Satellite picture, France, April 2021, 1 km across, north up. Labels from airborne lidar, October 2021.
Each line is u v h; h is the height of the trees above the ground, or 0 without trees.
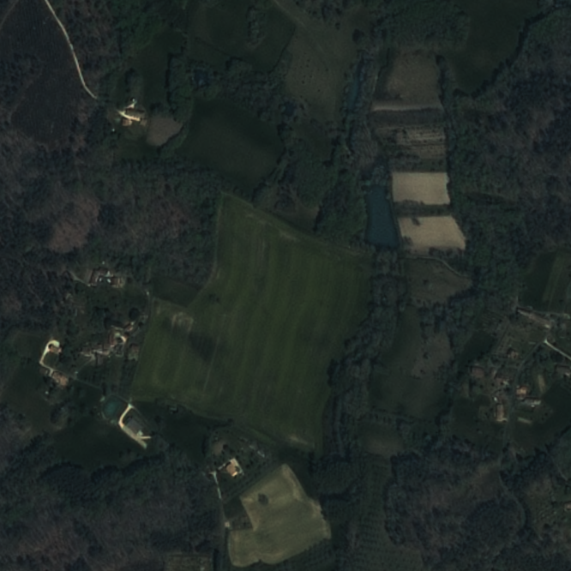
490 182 17
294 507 0
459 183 18
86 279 0
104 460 0
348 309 0
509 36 0
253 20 13
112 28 9
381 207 0
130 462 0
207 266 20
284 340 0
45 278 19
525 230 17
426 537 18
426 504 6
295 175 17
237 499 0
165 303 0
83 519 20
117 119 0
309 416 0
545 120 11
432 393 0
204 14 0
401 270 28
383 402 0
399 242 0
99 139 21
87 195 17
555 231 27
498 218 21
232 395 0
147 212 15
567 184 16
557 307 0
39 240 18
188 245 20
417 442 7
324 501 9
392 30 21
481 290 20
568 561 19
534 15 0
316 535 0
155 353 0
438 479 20
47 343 0
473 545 26
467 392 0
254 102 11
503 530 28
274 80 9
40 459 16
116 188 18
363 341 11
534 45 21
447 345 0
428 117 16
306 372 0
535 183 18
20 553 18
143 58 0
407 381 0
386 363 0
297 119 10
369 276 0
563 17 22
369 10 25
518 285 17
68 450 0
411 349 0
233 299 0
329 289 0
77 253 16
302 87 0
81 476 20
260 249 0
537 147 9
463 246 0
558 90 13
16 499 16
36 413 0
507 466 12
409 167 14
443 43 18
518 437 0
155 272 18
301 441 0
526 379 6
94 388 0
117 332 0
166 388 0
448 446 11
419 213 11
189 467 22
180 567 0
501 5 0
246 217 0
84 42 11
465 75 0
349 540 38
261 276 0
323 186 20
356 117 17
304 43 0
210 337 0
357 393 34
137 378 0
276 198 7
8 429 20
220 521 18
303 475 0
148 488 26
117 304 8
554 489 10
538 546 20
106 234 21
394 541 9
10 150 14
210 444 12
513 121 18
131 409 0
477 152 15
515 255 21
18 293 22
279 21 0
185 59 8
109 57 7
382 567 7
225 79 12
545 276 0
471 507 9
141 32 25
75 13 8
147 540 17
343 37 0
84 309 0
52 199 28
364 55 15
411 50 11
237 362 0
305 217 0
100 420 0
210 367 0
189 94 20
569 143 24
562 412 0
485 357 11
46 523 20
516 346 0
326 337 0
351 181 21
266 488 0
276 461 8
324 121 0
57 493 17
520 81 15
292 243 0
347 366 26
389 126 12
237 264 0
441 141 6
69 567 8
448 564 24
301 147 16
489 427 0
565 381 9
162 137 0
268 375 0
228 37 0
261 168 0
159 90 0
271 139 0
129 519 16
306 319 0
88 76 6
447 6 21
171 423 0
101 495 24
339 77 0
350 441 31
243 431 0
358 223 18
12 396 0
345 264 0
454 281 0
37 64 20
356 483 9
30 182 19
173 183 26
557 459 23
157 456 0
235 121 0
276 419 0
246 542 0
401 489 14
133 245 18
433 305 13
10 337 20
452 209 12
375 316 26
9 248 24
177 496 26
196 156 0
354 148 13
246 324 0
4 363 19
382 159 0
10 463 18
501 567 24
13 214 18
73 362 11
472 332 12
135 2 28
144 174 28
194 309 0
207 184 15
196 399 0
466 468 16
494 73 0
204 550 16
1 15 22
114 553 14
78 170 26
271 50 0
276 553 0
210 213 26
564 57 15
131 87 23
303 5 16
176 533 21
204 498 21
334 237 19
